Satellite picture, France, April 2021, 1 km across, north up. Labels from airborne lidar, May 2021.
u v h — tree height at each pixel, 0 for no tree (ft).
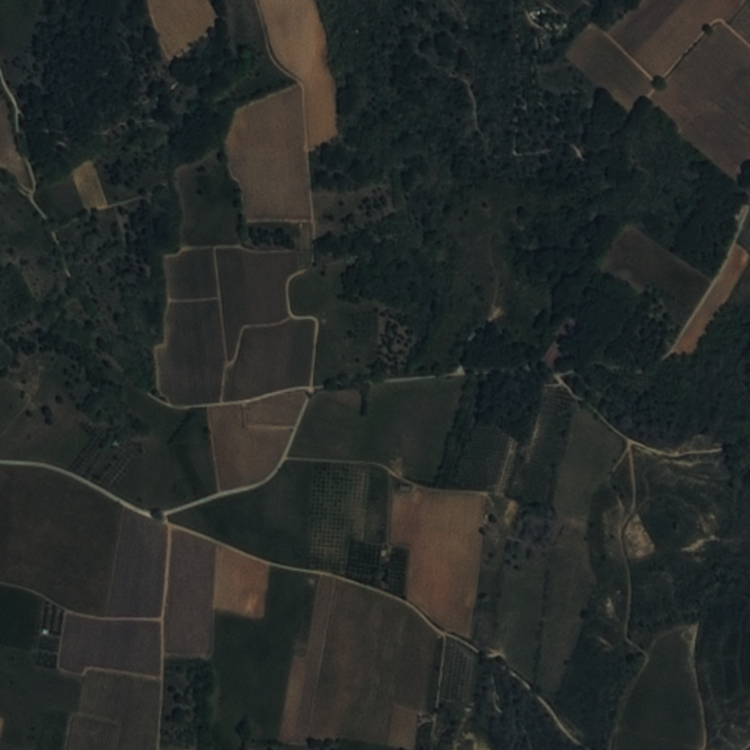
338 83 25
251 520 0
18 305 44
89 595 0
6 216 0
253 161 0
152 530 0
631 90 0
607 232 48
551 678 0
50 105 54
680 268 0
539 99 23
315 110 0
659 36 0
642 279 0
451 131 24
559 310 41
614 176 48
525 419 43
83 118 56
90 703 0
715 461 0
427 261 39
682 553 0
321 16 18
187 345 0
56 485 0
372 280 41
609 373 32
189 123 55
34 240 0
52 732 0
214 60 48
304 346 0
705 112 0
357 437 0
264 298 0
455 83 26
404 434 0
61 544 0
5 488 0
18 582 0
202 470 0
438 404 0
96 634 0
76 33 41
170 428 0
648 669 0
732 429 35
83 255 23
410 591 0
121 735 0
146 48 32
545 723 34
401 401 0
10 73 0
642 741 0
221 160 36
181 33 0
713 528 0
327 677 0
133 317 37
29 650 0
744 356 39
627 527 0
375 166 32
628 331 29
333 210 0
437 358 0
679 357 31
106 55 46
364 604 0
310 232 0
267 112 0
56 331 40
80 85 65
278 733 0
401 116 21
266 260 0
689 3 0
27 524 0
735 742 0
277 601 0
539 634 26
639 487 0
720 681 0
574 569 0
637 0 38
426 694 0
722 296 0
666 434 31
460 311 0
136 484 0
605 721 45
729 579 49
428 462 0
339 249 37
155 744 0
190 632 0
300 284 0
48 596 0
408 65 36
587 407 46
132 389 0
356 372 0
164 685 0
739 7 0
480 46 28
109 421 30
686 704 0
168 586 0
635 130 39
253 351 0
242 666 0
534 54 27
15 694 0
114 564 0
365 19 21
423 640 0
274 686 0
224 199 0
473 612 0
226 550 0
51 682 0
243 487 0
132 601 0
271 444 0
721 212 33
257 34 0
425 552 0
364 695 0
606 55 0
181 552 0
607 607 0
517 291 0
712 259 40
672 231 34
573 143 38
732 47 0
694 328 0
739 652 0
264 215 0
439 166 30
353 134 51
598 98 34
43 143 53
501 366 39
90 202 0
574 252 42
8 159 0
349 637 0
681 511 0
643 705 0
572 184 37
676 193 34
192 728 20
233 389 0
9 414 0
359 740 0
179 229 27
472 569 0
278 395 0
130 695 0
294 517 0
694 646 0
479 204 0
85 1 21
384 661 0
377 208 20
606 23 34
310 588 0
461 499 0
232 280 0
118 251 30
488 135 28
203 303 0
